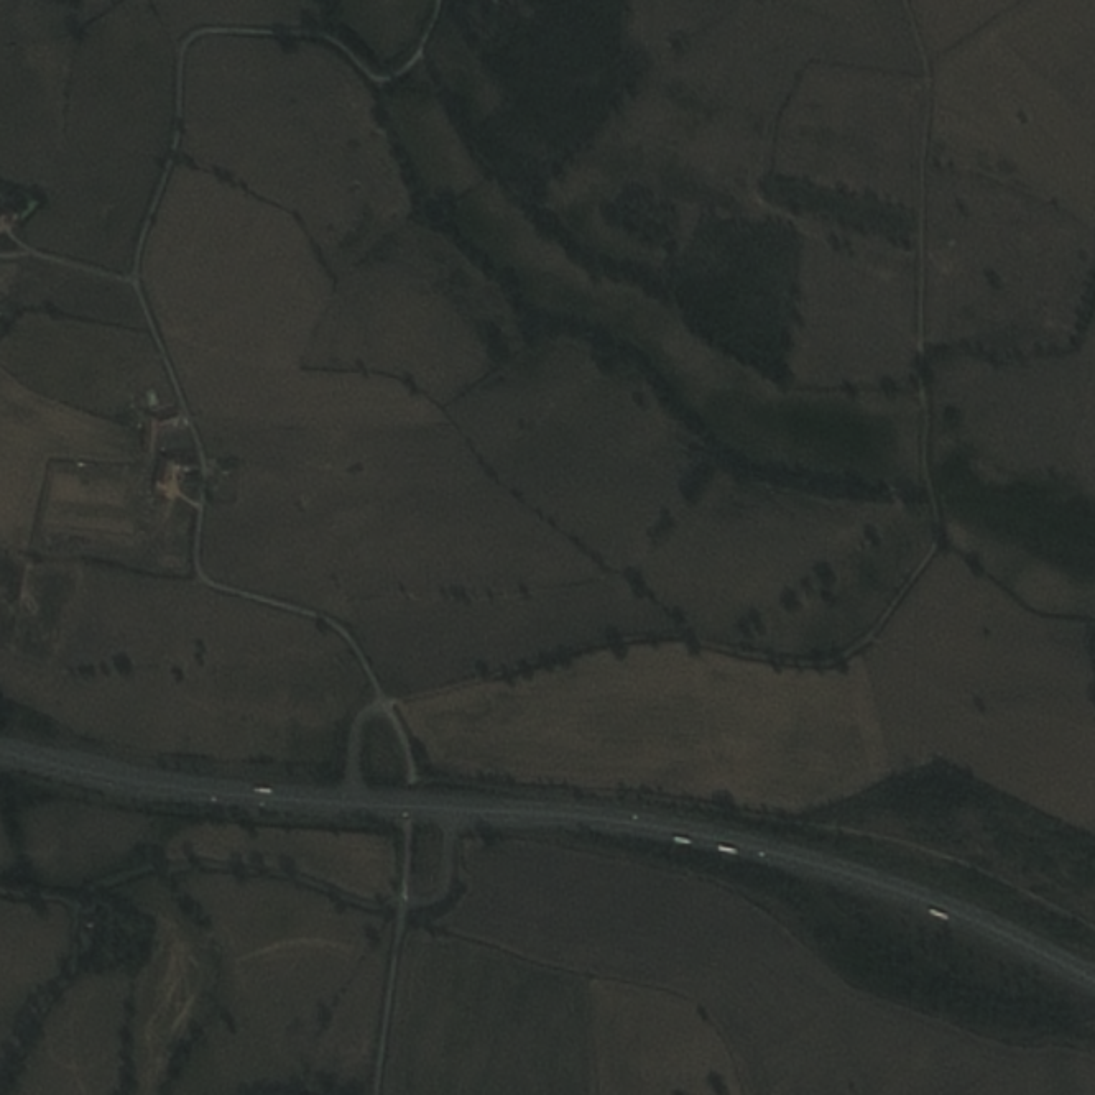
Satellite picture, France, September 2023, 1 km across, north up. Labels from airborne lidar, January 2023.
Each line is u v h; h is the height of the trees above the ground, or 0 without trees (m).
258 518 0
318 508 0
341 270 0
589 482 0
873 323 0
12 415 0
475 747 0
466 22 20
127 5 0
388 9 0
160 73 0
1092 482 0
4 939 0
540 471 0
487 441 0
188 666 0
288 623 0
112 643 0
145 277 0
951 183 0
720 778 0
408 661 0
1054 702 0
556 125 0
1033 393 0
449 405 0
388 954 0
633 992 0
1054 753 0
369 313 0
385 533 0
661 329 0
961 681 0
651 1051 0
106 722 0
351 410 0
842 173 0
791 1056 0
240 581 0
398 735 0
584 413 0
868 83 0
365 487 0
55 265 0
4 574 0
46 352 0
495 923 0
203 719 0
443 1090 0
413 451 0
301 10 0
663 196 0
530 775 0
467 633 0
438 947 0
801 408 0
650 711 0
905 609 0
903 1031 0
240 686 0
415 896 0
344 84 0
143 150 0
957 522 0
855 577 0
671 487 0
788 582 0
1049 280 0
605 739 0
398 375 0
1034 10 0
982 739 0
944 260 0
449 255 0
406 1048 0
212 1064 0
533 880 0
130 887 0
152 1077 0
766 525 0
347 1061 0
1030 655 0
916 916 0
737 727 0
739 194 0
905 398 0
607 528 0
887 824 0
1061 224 0
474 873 0
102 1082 0
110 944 6
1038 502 0
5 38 0
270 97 0
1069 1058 0
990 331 0
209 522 0
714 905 0
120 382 0
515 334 0
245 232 0
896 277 0
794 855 0
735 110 0
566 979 0
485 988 0
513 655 0
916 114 0
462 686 0
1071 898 0
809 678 0
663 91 0
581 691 0
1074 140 0
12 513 0
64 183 0
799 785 0
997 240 0
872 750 0
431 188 0
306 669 0
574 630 0
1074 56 0
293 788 0
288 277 0
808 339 0
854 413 0
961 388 0
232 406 0
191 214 0
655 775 0
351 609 0
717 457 13
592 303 0
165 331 0
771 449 0
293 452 0
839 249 11
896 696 0
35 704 0
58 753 0
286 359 0
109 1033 0
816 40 0
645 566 0
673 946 0
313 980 0
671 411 14
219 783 0
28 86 0
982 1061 0
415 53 0
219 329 0
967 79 0
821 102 0
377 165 0
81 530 0
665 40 0
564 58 0
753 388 0
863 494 9
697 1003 0
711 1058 0
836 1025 0
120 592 0
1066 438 0
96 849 0
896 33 0
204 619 0
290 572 0
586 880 0
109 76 0
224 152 0
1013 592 0
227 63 0
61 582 0
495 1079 0
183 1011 0
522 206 15
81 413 0
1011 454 0
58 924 0
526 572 0
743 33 0
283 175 0
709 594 0
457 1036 0
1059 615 0
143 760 0
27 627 0
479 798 0
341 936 0
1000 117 0
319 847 0
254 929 0
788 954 0
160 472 0
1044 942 0
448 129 0
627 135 0
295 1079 0
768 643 0
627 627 0
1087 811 0
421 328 0
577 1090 0
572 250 17
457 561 0
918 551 0
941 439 0
